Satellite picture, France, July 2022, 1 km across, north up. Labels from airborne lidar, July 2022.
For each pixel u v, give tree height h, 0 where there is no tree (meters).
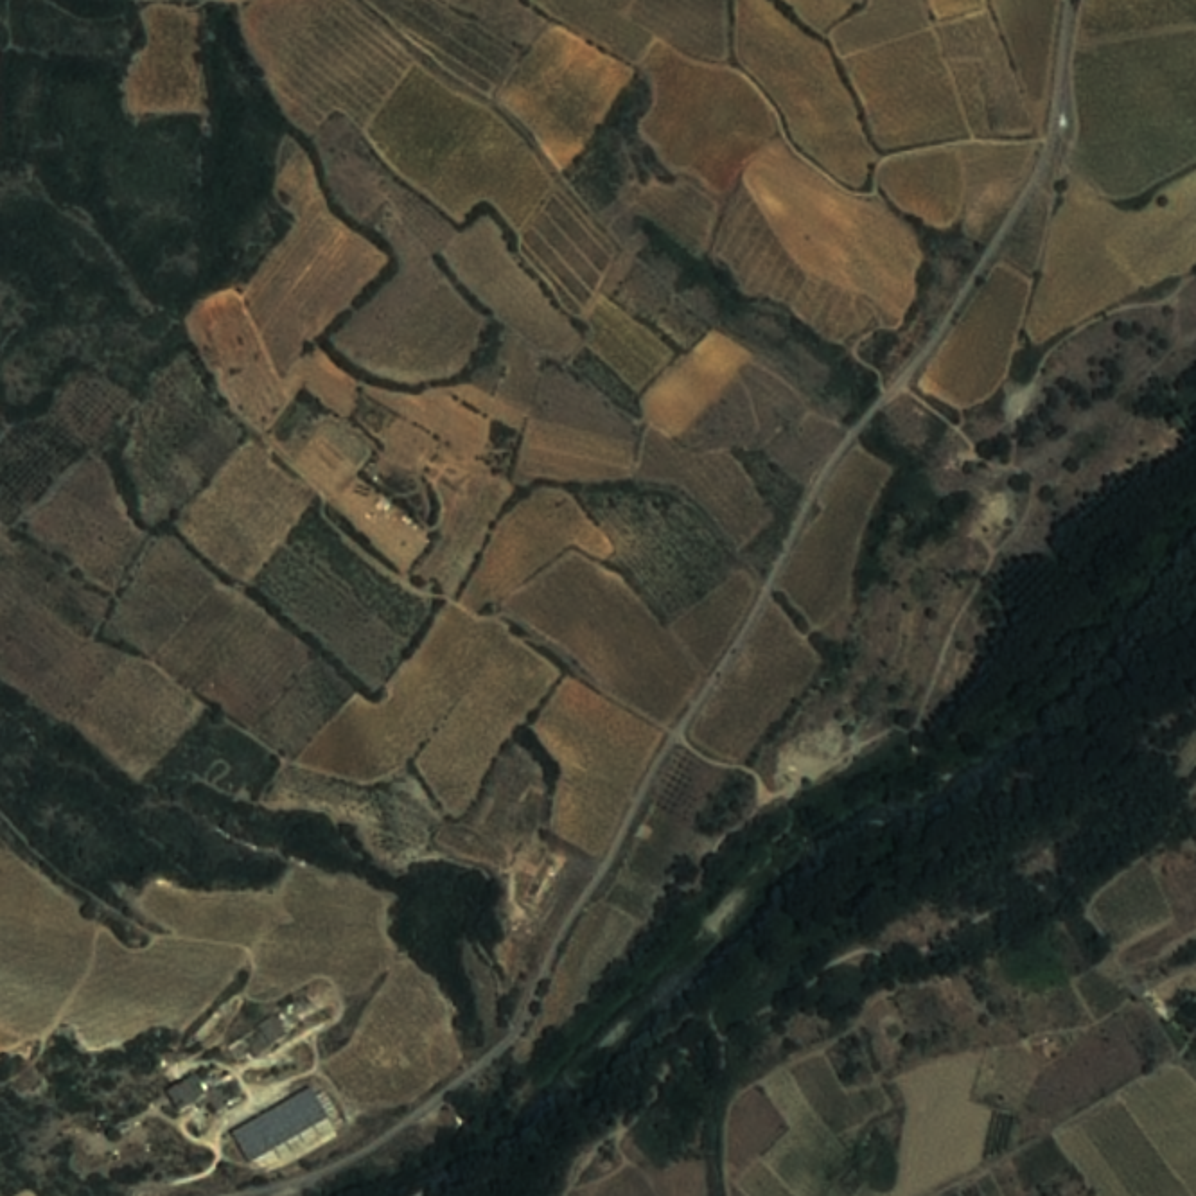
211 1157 7
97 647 0
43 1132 0
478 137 0
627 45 0
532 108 0
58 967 0
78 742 6
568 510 0
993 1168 0
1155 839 22
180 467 0
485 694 0
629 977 7
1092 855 10
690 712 0
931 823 9
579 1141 18
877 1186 0
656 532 0
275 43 0
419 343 0
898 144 0
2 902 0
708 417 0
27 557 0
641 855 0
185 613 0
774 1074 0
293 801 0
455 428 0
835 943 6
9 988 0
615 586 0
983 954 22
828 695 7
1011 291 0
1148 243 0
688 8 0
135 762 0
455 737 0
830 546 0
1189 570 22
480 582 0
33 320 6
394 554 0
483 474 0
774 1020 8
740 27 0
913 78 0
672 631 0
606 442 0
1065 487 0
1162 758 17
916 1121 0
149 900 0
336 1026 0
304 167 0
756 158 0
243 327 0
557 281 0
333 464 0
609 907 0
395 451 0
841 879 27
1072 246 0
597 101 0
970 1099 0
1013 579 23
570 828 0
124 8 6
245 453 0
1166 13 0
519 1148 17
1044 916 12
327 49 0
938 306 0
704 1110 6
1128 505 31
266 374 0
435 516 6
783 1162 0
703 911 6
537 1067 9
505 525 0
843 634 0
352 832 10
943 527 7
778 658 0
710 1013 21
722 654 0
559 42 0
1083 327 0
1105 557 18
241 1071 0
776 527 0
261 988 0
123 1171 5
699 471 0
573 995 0
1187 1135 0
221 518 0
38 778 7
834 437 0
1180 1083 0
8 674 0
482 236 0
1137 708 29
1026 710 6
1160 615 23
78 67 6
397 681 0
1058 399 11
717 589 0
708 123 0
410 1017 0
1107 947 18
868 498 0
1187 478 29
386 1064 0
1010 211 0
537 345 0
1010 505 0
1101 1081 0
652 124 0
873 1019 0
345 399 0
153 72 0
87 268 6
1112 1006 0
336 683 0
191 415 0
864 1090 0
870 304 0
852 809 11
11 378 0
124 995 0
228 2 0
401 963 0
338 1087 0
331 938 0
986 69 0
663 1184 0
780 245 0
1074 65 0
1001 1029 0
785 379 0
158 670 0
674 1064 15
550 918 0
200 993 0
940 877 15
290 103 0
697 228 0
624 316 0
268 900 0
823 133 0
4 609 0
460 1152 14
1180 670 28
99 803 6
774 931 24
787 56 0
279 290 0
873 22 0
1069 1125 0
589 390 0
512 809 0
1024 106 0
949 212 0
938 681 0
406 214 0
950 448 0
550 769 6
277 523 0
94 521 0
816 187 0
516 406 0
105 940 0
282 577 0
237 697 0
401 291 0
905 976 9
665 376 0
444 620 0
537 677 0
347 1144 0
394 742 0
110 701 0
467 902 6
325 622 0
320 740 0
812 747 0
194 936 0
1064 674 18
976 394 0
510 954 0
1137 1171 0
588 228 0
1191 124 0
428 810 0
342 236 0
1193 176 0
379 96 0
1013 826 19
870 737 0
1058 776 24
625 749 0
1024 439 10
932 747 11
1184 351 0
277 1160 0
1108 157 0
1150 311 0
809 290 0
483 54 0
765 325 0
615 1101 14
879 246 0
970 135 0
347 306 0
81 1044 0
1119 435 0
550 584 0
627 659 0
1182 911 0
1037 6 0
